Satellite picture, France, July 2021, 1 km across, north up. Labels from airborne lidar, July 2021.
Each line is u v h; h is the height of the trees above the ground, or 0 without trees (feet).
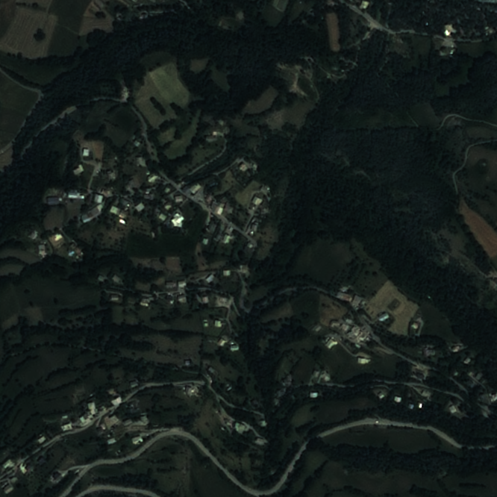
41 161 51
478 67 51
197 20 32
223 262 0
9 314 0
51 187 30
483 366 33
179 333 50
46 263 55
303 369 0
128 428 0
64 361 0
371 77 48
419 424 39
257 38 56
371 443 0
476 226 0
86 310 43
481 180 0
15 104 0
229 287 0
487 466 48
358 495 20
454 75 62
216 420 0
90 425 0
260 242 20
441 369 48
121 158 18
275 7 0
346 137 36
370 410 35
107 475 0
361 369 0
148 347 49
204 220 0
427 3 44
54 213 0
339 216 69
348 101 58
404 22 34
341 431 0
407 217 33
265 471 36
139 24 54
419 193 25
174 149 0
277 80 43
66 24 0
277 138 31
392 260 55
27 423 24
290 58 48
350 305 37
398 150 42
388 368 0
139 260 0
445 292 55
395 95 31
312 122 41
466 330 54
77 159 24
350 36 25
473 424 56
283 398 33
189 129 0
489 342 56
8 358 32
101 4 0
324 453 45
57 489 35
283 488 0
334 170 31
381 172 19
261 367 74
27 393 28
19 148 35
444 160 35
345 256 0
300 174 39
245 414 36
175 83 0
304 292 29
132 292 29
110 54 61
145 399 0
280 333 27
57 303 57
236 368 43
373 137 39
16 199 64
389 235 46
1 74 0
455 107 33
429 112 0
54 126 31
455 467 57
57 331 51
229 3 63
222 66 46
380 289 0
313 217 68
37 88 26
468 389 26
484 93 51
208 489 0
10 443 21
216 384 36
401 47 0
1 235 54
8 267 0
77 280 51
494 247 0
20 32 0
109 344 42
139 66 41
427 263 80
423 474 23
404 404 23
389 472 27
